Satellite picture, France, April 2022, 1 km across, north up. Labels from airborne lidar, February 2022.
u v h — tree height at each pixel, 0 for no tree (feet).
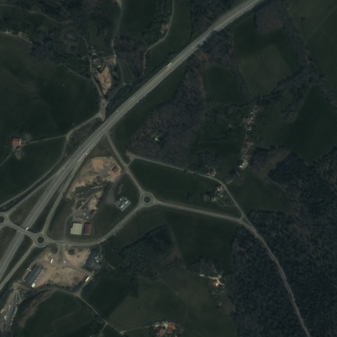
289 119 72
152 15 0
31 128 0
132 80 0
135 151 62
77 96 0
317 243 32
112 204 0
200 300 0
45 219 0
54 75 0
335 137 0
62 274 0
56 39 30
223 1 72
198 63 75
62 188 0
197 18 70
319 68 0
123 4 0
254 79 0
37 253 0
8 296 30
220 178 0
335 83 0
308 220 86
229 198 0
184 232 0
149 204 0
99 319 63
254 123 0
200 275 48
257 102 52
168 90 0
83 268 0
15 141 0
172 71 0
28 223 0
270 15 117
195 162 0
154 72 27
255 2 0
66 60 43
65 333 0
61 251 0
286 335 108
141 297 0
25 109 0
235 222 0
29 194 0
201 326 0
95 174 0
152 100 0
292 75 0
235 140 0
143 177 0
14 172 0
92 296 0
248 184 0
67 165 0
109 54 0
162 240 33
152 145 77
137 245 56
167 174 0
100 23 0
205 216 0
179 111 99
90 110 0
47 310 0
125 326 0
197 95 78
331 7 0
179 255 0
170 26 0
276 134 0
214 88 0
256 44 0
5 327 0
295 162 102
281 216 59
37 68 0
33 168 0
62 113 0
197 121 92
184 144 93
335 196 46
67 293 0
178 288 0
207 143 0
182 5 0
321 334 50
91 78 56
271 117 0
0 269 0
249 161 0
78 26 61
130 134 0
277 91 34
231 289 78
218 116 71
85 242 0
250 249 46
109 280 0
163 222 0
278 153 66
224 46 104
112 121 0
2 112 0
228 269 0
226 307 0
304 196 56
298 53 48
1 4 0
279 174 74
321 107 0
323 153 0
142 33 0
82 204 0
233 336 0
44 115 0
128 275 33
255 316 88
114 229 0
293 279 51
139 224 0
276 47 0
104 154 0
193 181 0
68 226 0
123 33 0
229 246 0
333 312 50
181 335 0
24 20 0
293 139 0
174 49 0
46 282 0
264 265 87
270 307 100
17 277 0
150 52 18
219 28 0
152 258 54
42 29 0
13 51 0
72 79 0
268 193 0
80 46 0
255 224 56
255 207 0
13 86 0
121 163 0
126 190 0
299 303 66
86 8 63
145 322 0
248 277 87
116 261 30
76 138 0
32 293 37
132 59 85
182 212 0
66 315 0
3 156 0
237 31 0
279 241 56
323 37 0
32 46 0
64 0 53
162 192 0
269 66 0
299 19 0
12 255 0
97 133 0
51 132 0
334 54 0
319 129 0
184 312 0
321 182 62
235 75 38
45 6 74
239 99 0
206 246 0
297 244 30
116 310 0
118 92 0
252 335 78
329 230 83
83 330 0
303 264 44
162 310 0
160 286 0
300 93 38
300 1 0
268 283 107
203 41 0
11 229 0
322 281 52
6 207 0
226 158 0
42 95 0
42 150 0
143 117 0
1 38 0
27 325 0
